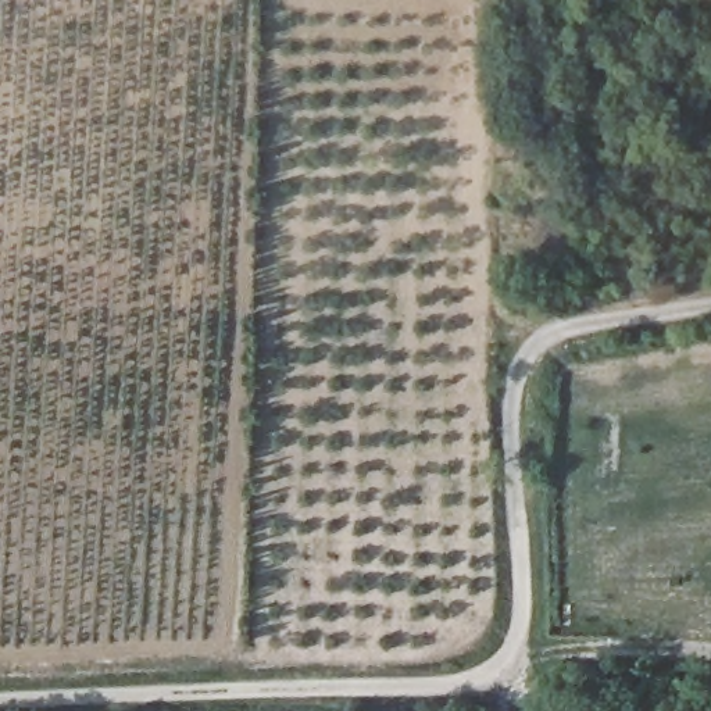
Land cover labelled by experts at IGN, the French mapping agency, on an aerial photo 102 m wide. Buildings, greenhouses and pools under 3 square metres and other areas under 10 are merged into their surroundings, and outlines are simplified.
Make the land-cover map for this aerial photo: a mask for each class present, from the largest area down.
<instances>
[{"label":"deciduous trees","instance_id":"1","mask_svg":"<svg viewBox=\"0 0 711 711\"><path fill-rule=\"evenodd\" d=\"M258 31L256 117L258 144L250 189V208L256 217L253 244V303L250 317L244 319L247 347L242 356L244 389L250 397V403L242 408V422L247 428V475L242 486V497L247 503L242 642L250 650L256 647L258 636H267L272 647L347 644V633H294L283 625V617H375V605H286L264 600L267 592L286 586V558L311 561L308 550L283 542L286 530L336 533L344 528L347 519H292L283 511L286 489L264 492V483L292 475V467L286 464V453L281 447L297 444L311 450H361L458 442V430H378L333 436H308L292 430L283 425L286 417L303 422H336L350 417V405L331 400H319L314 405H286L283 392L319 386L317 375H292L289 369L294 364L317 361L450 364L467 361L472 356L469 347L450 350L447 344H433L428 350H389L380 344L292 347L286 342L289 331H300L303 336H353L375 331L378 319L369 317V306L383 303L386 308H397V294L383 289H322L311 294H286L283 281L297 275H469L472 258L461 261L455 250L486 242L492 247L489 286L494 294L511 314L539 317L544 325L550 319L608 308L630 297H644L653 306H661L689 294H711V0H478V97L486 114V131L494 139L489 144L486 161L492 183L486 192V225H472L461 233H417L405 242H394L389 258L372 264H347L350 253H361L375 244V219H400L411 211V203L364 208L319 203L308 208H294L292 197L317 192L372 194L439 189V178H428V169L458 164L461 156L453 139L414 142L405 147H394L389 169L378 175L358 172L342 178L281 181L278 169L336 167L353 164L358 158V147L339 144L292 156L289 147L300 144L297 136L314 139L328 133H353L358 122L356 117L292 119L297 108H350L375 103L408 106L417 103L425 92L414 86L403 92L375 89L347 94H281L286 86H294L300 81H369L414 75L419 64L386 61L375 67H275L272 50L294 56L319 50L397 53L417 47V36L394 42H300L292 28L322 25L328 22V14L297 11L283 0H258ZM444 128L442 117H380L369 125L372 139L386 133L400 136L414 131ZM436 214H467L464 203L442 197L422 206L419 219ZM469 297V289H433L417 297L419 306L461 303ZM472 319L467 314H458L419 319L417 333L425 336L436 331H461ZM619 344V353L625 356L661 350L667 347V333L661 322L636 319L630 325L611 331ZM375 386L389 392L405 389V375H336L331 378V389L342 392H369ZM464 375H450L419 378L417 392L450 389L461 383ZM467 414V405H453L444 411H417V419H458ZM528 464H539V469L544 472L553 467V455L542 450L539 442H522V469ZM461 469V461H430L414 467L417 475H455ZM422 503V486H405L400 492L386 494L383 508ZM303 505L347 503L344 489H311L300 497ZM372 530H403L400 519L386 522L369 517L356 522V536ZM458 530L455 525L444 522H422L414 525V536H453ZM375 558L383 564H403V553L372 544L353 550V561L367 564ZM461 561V550H453L417 553V564L455 567ZM464 586L475 594L494 592L497 575L411 578L347 572L328 580V592L375 589L392 594H425L433 589L450 592ZM467 611V603L455 600L414 605L411 617H458ZM436 642V633L397 630L380 639V647L386 650L425 647ZM633 658L617 655L611 647L600 650L597 658H564L550 661L536 672L530 669L525 680L528 694L517 697L519 711H711V658L667 655L653 664H642V672L633 675Z\"/></svg>","mask_w":711,"mask_h":711},{"label":"vineyard","instance_id":"2","mask_svg":"<svg viewBox=\"0 0 711 711\"><path fill-rule=\"evenodd\" d=\"M258 0H0V644H86L100 639V625H108V642H117V633H125V639H144L147 625L156 628L158 636L169 639L211 636L214 614L219 608L217 567L222 544L219 503L225 492V478L214 480V489L203 486L208 469L225 464L228 455V400L236 336V256L239 244H253L256 217L250 208V189L258 144L256 117H244V61L247 28L258 31Z\"/></svg>","mask_w":711,"mask_h":711},{"label":"plowed land","instance_id":"3","mask_svg":"<svg viewBox=\"0 0 711 711\"><path fill-rule=\"evenodd\" d=\"M297 11L328 14V22L322 25L292 28L300 42H394L417 36V47L397 53L319 50L294 56L272 50L275 67H375L386 61L419 64L414 75L369 81H300L294 86H286L281 94H347L375 89L403 92L414 86L425 92L417 103L408 106L375 103L350 108H297L292 119L356 117L358 122L353 133H328L314 139L297 136L300 144L289 147L292 156L339 144L358 147V158L353 164L336 167L278 169L281 181L342 178L358 172L378 175L389 169L394 147H405L414 142L453 139L461 156L458 164L428 169V178H439V189L372 194L317 192L292 197L294 208H308L319 203L364 208L411 203V211L400 219H375V244L361 253H350L347 264H372L389 258L394 242H405L417 233H461L472 225H486V192L492 183L486 161L489 144L494 139L486 131V114L478 97V0H283ZM380 117H442L444 128L414 131L400 136L386 133L372 139L369 125ZM442 197L464 203L467 214H436L419 219L422 206ZM258 31L247 28L244 61V117H256ZM461 261L472 258L469 275H297L283 281L286 294H311L322 289H383L397 294V308H386L383 303L369 306V317L378 319L375 331L353 336H303L300 331H289L286 342L292 347L380 344L389 350H428L433 344H447L450 350L469 347L472 356L467 361L450 364L317 361L294 364L289 369L292 375H317L319 386L283 392L286 405H314L319 400H331L350 405V417L336 422H303L286 417L283 425L292 430L308 436H333L378 430H458V442L361 450H311L297 444L281 447L286 453V464L292 467V475L264 483V492L286 489L283 511L292 519H347L344 528L336 533L286 530L283 542L308 550L311 561L286 558V586L267 592L264 600L286 605H375V617H283V625L294 633H347V644L272 647L267 636H258L256 647L250 650L242 642L247 503L242 497V486L247 475V428L242 422V408L250 403V397L244 389L242 356L247 347L244 319L250 317L253 303V244H239L236 256V336L228 400V455L225 464L208 469L203 486L214 489V480L225 478V492L219 503L222 544L217 567L219 608L214 614L211 636L169 639L158 636L156 628L147 625L144 639H125V633H117V642H108V625H100V639L86 644H0V667L53 669L78 661L128 664L139 658L181 655H197L208 661H239L250 667L436 661L469 650L486 633L494 611V592L475 594L464 586L450 592L433 589L425 594H392L375 589L328 592V580L347 572L411 578L497 575L492 480L486 475L469 478L472 464L489 458L486 344L492 342V328L486 311L489 297L494 294L489 286L492 247L486 242L455 250ZM433 289H469V297L461 303L419 306L417 297ZM458 314H467L472 319L461 331H436L425 336L417 333L419 319ZM336 375H405V389L389 392L375 386L369 392H342L331 389V378ZM450 375H464L461 383L450 389L417 392L419 378ZM453 405H467V414L458 419H417V411H444ZM430 461H461V469L455 475H417L414 467ZM405 486H422V503L383 508L386 494L400 492ZM311 489H344L347 503L303 505L300 497ZM369 517L386 522L400 519L403 530H372L356 536V522ZM422 522H444L455 525L458 530L453 536H414V525ZM372 544L403 553V564H383L375 558L367 564L353 561V550ZM453 550H461V561L455 567L417 564V553ZM455 600L467 603V611L458 617H411L414 605ZM397 630L436 633V642L425 647L386 650L380 647V639Z\"/></svg>","mask_w":711,"mask_h":711},{"label":"agricultural land","instance_id":"4","mask_svg":"<svg viewBox=\"0 0 711 711\"><path fill-rule=\"evenodd\" d=\"M547 483L553 486L550 514L555 522L558 553L555 564H550V578L558 589L550 633L569 636H608L619 639L622 644L628 639H653L669 633L680 644L711 642V344L703 342L669 353L661 350L625 356L600 364H575L569 375L558 380L553 455V467L544 472Z\"/></svg>","mask_w":711,"mask_h":711},{"label":"herbaceous vegetation","instance_id":"5","mask_svg":"<svg viewBox=\"0 0 711 711\"><path fill-rule=\"evenodd\" d=\"M492 328V342L486 344L489 458L472 464L469 478L486 475L492 480L497 575L494 592V611L486 633L469 650L436 661L250 667L239 661H208L197 655H181L139 658L128 664L78 661L53 669L0 667V692L294 678H430L455 675L489 661L505 642L514 597L503 447L505 372L511 356L528 342V336H533L536 328L544 325L539 317L511 314L494 294L489 297L486 311ZM667 333V347L661 350L669 353L703 342L711 344V311L692 319L661 322ZM625 356L619 353V344L611 331L572 336L542 356L539 375L530 378L522 392V442H539L542 450L553 455L558 380L569 375L575 364H600ZM530 542V669L536 672L550 661L564 658L558 642H567L569 636L550 633L558 589L550 578V564H555L558 553L555 522L550 514L553 486L547 483L544 472L539 469V464H528L522 469ZM133 711H519L517 697L503 686H492L483 692L458 689L453 694L439 697L142 703Z\"/></svg>","mask_w":711,"mask_h":711},{"label":"impervious surface","instance_id":"6","mask_svg":"<svg viewBox=\"0 0 711 711\"><path fill-rule=\"evenodd\" d=\"M711 311V294H689L661 306H653L644 297H630L608 308L550 319L544 325L536 328L533 336H528V342L511 356L505 372L503 447L514 597L505 642L489 661L455 675L430 678H294L0 692V711H133L142 703L439 697L453 694L458 689L483 692L492 686H503L517 697L528 694L525 680L530 669V542L522 469V392L530 378L539 375L542 356L572 336L611 331L630 325L636 319L661 322L692 319Z\"/></svg>","mask_w":711,"mask_h":711},{"label":"pervious surface","instance_id":"7","mask_svg":"<svg viewBox=\"0 0 711 711\"><path fill-rule=\"evenodd\" d=\"M564 658H597L600 650L611 647L617 655L633 658V675L642 672V664H653L667 655L711 658V642L680 644L669 633L653 639H628L622 644L619 639L608 636H569L567 642H558Z\"/></svg>","mask_w":711,"mask_h":711}]
</instances>
